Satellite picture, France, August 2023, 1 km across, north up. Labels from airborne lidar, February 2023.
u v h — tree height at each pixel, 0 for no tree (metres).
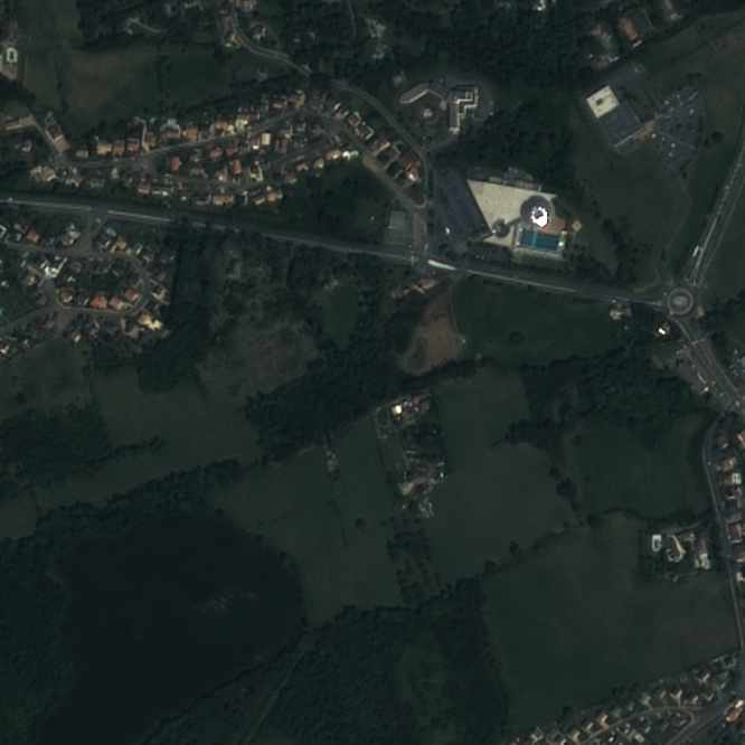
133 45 12
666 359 0
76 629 0
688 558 6
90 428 6
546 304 0
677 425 6
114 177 0
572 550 0
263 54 0
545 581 0
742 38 0
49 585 25
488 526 0
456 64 11
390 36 0
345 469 0
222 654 0
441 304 0
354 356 22
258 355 0
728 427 16
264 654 0
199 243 16
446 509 0
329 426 15
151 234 9
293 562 8
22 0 0
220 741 0
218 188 0
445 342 0
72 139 7
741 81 0
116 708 0
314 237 0
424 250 0
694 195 0
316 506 0
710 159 0
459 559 0
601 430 0
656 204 0
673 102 0
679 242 0
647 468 0
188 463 0
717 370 0
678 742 0
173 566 0
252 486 0
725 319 18
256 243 19
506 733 9
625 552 0
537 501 0
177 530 0
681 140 0
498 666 10
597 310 0
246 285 8
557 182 7
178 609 0
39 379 0
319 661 13
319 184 16
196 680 0
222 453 0
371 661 11
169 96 7
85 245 0
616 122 0
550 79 19
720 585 0
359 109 0
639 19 0
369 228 0
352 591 0
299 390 13
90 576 0
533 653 0
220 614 0
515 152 13
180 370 22
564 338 0
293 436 18
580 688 0
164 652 0
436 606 15
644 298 0
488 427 0
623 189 0
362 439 0
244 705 8
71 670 6
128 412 0
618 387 16
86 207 0
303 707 9
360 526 10
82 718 0
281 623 0
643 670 0
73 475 11
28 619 20
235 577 0
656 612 0
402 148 8
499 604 0
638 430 11
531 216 0
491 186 0
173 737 6
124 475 0
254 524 0
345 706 7
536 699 0
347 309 0
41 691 19
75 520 21
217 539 0
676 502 0
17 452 19
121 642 0
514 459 0
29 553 25
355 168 0
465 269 0
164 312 14
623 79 0
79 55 0
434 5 6
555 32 17
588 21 17
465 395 0
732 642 0
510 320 0
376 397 18
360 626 12
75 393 0
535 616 0
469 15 15
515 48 21
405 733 7
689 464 0
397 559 8
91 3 17
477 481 0
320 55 14
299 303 10
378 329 26
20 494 10
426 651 0
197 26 7
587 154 0
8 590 21
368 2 0
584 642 0
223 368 0
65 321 0
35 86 0
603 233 0
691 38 0
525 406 0
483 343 0
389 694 8
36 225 7
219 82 0
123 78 0
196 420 0
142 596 0
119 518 19
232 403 0
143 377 12
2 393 0
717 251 0
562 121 0
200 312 21
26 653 15
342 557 0
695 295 0
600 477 0
